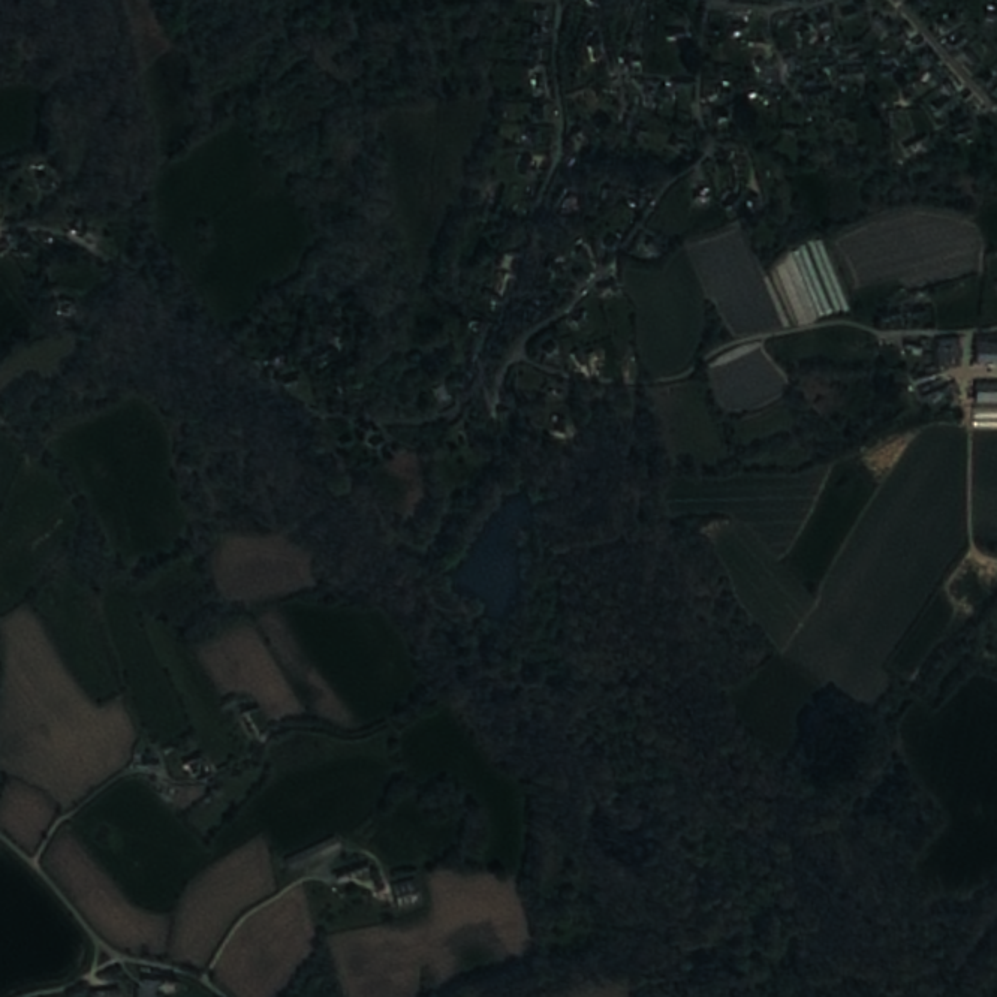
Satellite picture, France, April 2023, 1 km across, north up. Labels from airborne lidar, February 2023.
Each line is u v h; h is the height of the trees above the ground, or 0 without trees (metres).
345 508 24
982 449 0
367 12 0
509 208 0
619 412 13
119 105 25
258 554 0
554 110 0
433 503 20
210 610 9
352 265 30
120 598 0
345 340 7
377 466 6
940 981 27
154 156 19
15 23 18
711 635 11
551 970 24
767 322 0
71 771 0
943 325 0
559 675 9
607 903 15
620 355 0
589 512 22
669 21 0
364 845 0
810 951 28
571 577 25
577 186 15
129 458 0
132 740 0
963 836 0
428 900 0
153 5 9
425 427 6
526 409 16
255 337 10
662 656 19
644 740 24
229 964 0
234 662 0
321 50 17
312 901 0
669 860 27
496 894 0
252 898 0
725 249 0
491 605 0
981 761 0
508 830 0
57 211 14
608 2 16
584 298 0
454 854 11
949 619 0
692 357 0
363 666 0
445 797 15
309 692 0
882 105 0
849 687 0
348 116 20
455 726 0
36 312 15
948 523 0
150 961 14
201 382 22
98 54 20
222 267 0
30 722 0
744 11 0
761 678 0
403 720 11
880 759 18
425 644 19
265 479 24
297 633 0
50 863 0
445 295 18
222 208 0
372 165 31
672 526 10
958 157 18
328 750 0
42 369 0
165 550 0
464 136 0
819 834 22
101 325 17
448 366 14
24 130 0
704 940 25
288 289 10
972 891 0
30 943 0
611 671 27
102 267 10
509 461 19
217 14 8
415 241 0
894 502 0
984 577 0
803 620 0
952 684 11
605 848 14
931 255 0
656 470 20
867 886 17
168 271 22
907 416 0
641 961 29
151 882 0
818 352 0
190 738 8
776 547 0
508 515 0
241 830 0
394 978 0
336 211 0
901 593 0
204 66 23
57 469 10
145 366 21
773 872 26
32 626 0
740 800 28
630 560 18
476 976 8
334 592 15
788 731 0
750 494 0
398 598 23
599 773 31
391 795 11
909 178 11
